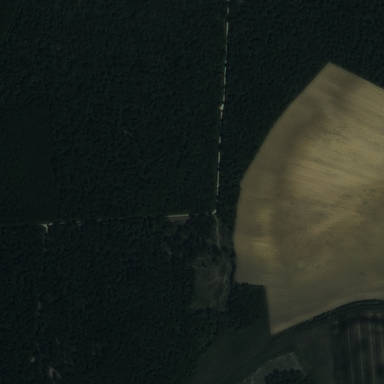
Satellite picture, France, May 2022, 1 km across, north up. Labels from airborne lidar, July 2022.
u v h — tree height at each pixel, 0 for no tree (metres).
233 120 21
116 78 22
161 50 19
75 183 25
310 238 0
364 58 27
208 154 21
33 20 19
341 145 0
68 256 21
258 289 11
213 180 17
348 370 0
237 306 21
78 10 22
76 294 24
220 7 11
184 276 19
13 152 14
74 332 19
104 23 16
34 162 14
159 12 21
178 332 25
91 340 23
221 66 11
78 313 19
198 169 21
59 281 26
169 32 21
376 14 25
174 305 23
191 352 20
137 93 21
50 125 16
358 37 19
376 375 0
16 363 23
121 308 20
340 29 19
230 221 19
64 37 20
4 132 15
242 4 6
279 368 0
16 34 22
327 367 0
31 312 29
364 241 0
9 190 16
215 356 0
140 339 21
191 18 22
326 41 20
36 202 13
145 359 17
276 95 20
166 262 22
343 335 0
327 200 0
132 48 24
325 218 0
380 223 0
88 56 17
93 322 26
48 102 15
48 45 19
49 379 27
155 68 23
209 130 22
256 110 24
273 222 0
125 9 24
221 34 17
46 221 10
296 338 0
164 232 17
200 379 0
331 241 0
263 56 20
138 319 23
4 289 25
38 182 15
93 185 23
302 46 22
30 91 24
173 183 25
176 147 27
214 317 22
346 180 0
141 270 26
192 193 23
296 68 17
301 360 0
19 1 24
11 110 18
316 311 0
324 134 0
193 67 22
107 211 20
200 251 22
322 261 0
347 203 0
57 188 11
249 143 23
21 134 14
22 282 21
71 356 23
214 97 20
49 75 14
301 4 13
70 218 19
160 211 20
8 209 18
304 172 0
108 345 26
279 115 14
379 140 0
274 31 22
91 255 24
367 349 0
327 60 9
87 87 14
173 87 26
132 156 21
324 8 24
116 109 15
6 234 25
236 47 27
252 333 0
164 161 23
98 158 23
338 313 8
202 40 21
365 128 0
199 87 24
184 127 25
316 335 0
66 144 27
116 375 20
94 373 19
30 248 26
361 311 0
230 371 0
